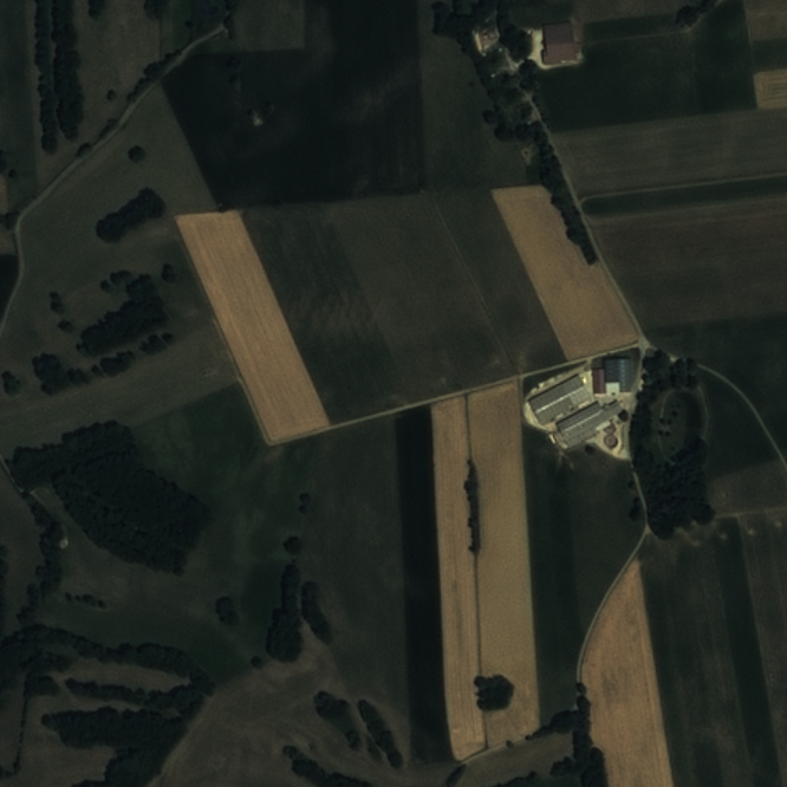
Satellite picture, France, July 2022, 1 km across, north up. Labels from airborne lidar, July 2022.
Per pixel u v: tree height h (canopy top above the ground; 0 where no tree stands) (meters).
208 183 0
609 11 0
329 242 0
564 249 0
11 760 0
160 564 19
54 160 0
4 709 0
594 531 0
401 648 0
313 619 21
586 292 0
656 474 8
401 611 0
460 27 17
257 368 0
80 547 0
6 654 33
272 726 0
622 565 0
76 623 0
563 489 0
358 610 0
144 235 0
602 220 0
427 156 0
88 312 0
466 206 0
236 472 0
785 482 0
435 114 0
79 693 18
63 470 14
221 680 0
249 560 0
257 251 0
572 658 0
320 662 0
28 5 0
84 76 0
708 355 0
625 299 0
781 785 0
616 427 0
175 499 20
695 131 0
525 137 18
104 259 0
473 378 0
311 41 0
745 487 0
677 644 0
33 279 0
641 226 0
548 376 0
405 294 0
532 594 0
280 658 11
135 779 20
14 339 0
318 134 0
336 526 0
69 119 19
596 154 0
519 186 0
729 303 0
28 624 10
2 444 0
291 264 0
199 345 0
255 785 0
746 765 0
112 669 0
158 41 0
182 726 18
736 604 0
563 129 0
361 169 0
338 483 0
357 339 0
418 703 0
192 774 0
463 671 0
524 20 0
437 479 0
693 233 0
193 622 0
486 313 0
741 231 0
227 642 0
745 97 0
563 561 0
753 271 0
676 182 0
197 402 0
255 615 0
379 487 0
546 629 0
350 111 0
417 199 0
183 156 0
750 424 0
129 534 22
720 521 0
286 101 0
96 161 0
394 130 0
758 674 0
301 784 0
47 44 9
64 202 0
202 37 0
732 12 0
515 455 0
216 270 0
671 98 0
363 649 0
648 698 0
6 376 13
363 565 0
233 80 13
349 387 0
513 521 0
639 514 18
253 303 0
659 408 0
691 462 18
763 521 0
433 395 0
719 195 0
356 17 0
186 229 0
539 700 0
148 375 0
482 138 0
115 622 0
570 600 0
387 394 0
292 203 0
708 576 0
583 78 0
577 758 15
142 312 17
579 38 0
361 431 0
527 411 0
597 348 0
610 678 0
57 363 12
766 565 0
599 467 0
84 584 0
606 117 0
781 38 0
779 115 0
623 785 0
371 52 0
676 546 0
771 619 0
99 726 20
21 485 10
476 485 11
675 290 0
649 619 0
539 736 9
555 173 15
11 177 12
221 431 0
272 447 0
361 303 0
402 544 0
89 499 12
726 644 0
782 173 0
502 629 0
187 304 0
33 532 0
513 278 0
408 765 0
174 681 0
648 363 15
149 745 19
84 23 0
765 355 0
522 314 0
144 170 0
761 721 0
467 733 0
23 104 0
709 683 0
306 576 0
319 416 0
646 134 0
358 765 0
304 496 11
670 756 0
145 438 0
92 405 0
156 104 0
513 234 0
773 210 0
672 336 0
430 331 0
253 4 0
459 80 0
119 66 0
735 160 0
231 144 0
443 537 0
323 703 15
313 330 0
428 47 0
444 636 0
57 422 0
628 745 0
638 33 0
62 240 0
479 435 0
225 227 0
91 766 0
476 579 0
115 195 0
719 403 0
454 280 0
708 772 0
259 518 0
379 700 0
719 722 0
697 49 0
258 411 0
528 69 18
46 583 12
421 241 0
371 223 0
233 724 0
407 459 0
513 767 0
